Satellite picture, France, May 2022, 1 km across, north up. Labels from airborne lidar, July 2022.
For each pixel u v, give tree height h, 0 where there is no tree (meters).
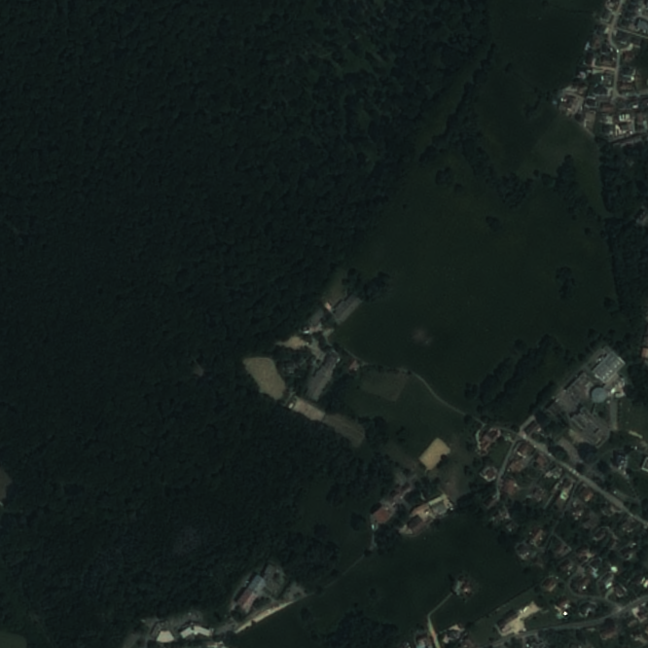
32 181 26
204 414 29
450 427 0
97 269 25
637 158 22
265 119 28
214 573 28
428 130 0
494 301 0
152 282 26
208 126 29
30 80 31
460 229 0
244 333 31
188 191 24
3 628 10
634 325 9
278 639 0
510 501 7
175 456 29
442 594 0
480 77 16
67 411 30
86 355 25
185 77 25
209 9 30
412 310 0
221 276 30
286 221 29
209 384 28
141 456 30
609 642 6
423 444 0
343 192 27
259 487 22
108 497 26
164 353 29
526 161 0
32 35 28
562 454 22
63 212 26
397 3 22
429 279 0
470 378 0
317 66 26
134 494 27
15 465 28
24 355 29
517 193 11
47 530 29
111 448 31
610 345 11
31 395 28
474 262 0
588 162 0
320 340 11
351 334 0
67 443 31
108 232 22
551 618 0
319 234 28
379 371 11
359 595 0
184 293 27
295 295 24
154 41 29
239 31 29
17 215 24
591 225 0
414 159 17
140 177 26
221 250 31
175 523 23
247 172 33
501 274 0
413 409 0
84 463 28
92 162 26
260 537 26
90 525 18
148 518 23
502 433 7
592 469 0
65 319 27
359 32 29
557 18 0
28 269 27
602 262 0
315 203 30
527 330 0
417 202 0
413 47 26
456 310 0
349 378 14
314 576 22
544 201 0
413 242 0
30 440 30
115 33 25
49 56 28
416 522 0
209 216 28
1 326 24
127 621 24
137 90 30
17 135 29
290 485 28
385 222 0
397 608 0
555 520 8
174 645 11
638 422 0
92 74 29
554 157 0
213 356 24
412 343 0
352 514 0
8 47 28
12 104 29
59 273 26
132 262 24
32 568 21
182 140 28
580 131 0
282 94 29
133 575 12
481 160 20
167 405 27
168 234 27
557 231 0
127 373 27
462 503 13
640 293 30
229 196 31
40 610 17
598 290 0
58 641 17
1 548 14
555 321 0
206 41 26
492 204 0
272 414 23
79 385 27
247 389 10
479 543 0
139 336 27
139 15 30
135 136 28
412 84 28
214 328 31
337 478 29
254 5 29
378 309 0
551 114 0
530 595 0
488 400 18
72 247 24
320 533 19
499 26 0
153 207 28
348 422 0
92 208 27
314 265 28
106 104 27
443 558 0
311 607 0
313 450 26
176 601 30
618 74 0
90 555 23
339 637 6
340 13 23
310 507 0
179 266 24
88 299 27
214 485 28
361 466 17
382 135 26
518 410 0
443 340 0
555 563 13
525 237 0
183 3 29
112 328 25
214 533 26
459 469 0
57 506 30
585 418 0
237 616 12
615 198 27
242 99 29
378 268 0
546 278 0
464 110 17
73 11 29
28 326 26
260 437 19
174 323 26
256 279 28
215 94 24
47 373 26
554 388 12
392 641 22
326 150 22
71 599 18
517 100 0
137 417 30
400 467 7
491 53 14
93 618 24
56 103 28
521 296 0
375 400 0
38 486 27
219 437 30
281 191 25
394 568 0
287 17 25
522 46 0
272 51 30
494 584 0
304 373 6
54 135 27
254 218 30
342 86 21
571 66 0
